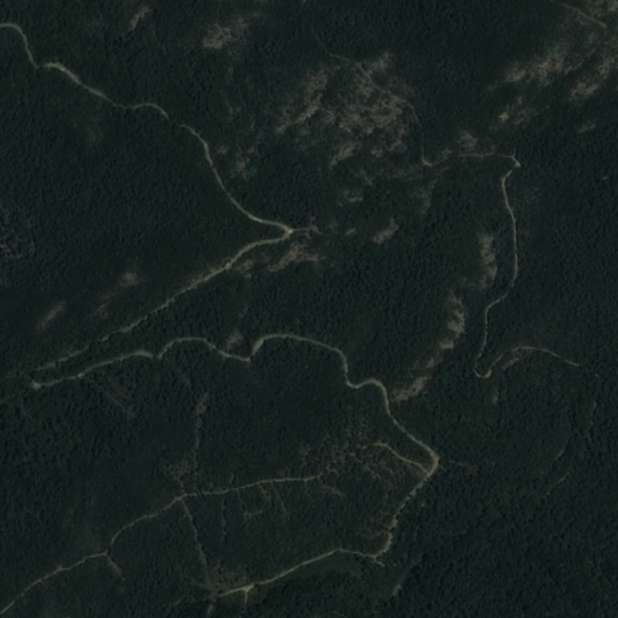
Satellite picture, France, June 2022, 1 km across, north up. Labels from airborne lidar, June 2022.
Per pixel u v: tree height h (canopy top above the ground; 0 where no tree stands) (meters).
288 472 10
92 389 15
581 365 6
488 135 7
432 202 8
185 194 10
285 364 14
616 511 15
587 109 8
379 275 18
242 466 6
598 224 9
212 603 12
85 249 12
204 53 10
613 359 11
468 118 8
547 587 19
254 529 8
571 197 6
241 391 9
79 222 16
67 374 10
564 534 13
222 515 10
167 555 14
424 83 6
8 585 6
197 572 10
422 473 0
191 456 6
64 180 7
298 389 7
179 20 9
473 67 14
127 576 7
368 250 11
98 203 16
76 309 9
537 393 11
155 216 18
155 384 9
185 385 6
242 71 8
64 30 12
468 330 11
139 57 17
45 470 18
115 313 7
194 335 11
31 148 15
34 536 10
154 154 13
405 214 12
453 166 7
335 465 14
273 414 7
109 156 13
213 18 7
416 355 7
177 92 11
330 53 6
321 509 10
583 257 16
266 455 14
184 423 6
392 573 9
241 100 11
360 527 9
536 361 13
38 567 9
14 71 9
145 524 7
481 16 8
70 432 15
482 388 14
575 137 11
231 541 15
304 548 6
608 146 10
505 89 6
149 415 13
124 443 8
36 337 6
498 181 7
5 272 13
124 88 9
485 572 18
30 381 7
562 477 9
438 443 15
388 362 9
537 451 12
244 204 8
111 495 7
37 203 14
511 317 6
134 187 16
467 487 16
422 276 9
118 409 14
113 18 11
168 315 13
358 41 14
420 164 6
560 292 8
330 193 11
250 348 7
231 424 10
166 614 10
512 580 16
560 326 9
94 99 6
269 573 10
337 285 13
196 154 7
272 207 14
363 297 15
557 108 8
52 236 9
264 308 15
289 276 11
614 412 17
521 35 10
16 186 13
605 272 15
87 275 6
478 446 7
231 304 6
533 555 22
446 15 11
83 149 6
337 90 9
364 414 6
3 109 12
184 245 6
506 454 14
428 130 7
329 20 14
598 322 15
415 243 10
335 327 13
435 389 8
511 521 14
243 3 5
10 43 14
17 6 16
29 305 6
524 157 16
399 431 6
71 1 13
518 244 6
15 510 15
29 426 12
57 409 9
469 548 17
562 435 7
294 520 10
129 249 9
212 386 16
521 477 11
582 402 18
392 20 14
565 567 7
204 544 11
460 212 16
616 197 12
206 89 17
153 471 8
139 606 15
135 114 13
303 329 14
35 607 7
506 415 15
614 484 10
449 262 7
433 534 13
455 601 12
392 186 14
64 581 6
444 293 8
